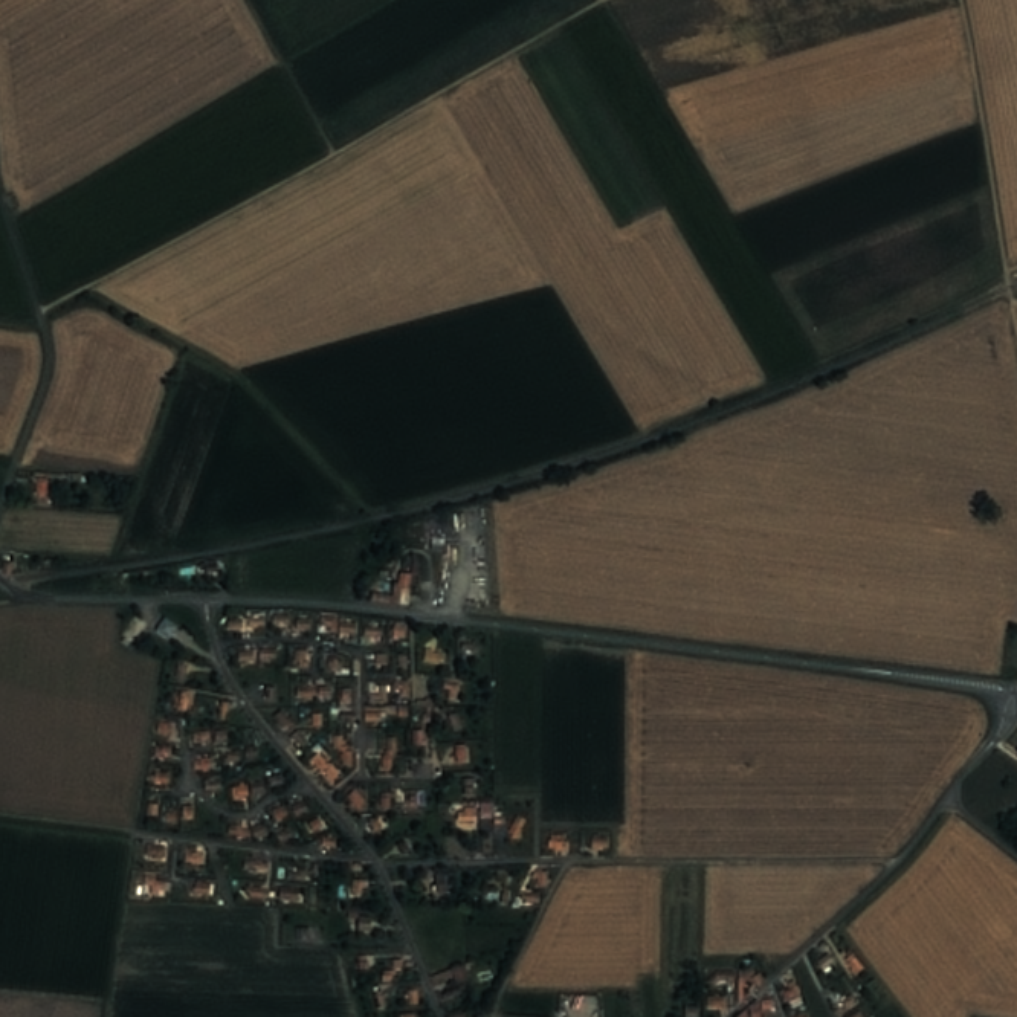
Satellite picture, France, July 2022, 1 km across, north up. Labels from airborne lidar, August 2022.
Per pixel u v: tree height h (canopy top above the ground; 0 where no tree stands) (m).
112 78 0
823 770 0
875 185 0
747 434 0
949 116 0
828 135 0
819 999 0
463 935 0
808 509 0
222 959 0
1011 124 0
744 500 0
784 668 0
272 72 0
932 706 0
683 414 0
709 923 0
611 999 0
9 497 11
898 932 0
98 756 0
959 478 0
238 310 0
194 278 0
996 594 0
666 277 0
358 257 0
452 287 0
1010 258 0
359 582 12
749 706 0
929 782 0
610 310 0
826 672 0
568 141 0
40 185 0
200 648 0
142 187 0
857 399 0
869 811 0
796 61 0
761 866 0
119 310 6
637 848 0
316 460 0
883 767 0
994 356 0
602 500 0
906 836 0
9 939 0
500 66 0
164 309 0
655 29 0
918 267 0
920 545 0
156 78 0
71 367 0
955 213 0
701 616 0
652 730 0
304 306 0
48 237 0
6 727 0
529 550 0
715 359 0
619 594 0
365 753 0
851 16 0
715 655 0
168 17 0
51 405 0
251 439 0
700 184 0
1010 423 0
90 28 0
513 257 0
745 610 0
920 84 0
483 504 11
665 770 0
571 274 0
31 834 0
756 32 0
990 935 0
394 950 0
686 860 0
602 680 0
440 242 0
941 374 0
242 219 0
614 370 0
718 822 0
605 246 0
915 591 0
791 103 0
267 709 0
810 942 0
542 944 0
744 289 0
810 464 0
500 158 0
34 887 0
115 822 0
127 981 0
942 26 0
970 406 0
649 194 0
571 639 0
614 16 0
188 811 0
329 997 0
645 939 0
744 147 0
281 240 0
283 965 0
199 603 0
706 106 0
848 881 0
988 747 0
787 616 0
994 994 0
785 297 0
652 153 0
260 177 0
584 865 0
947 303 0
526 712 0
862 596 0
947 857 0
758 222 0
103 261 0
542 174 0
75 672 0
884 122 0
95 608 0
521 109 0
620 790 0
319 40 0
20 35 0
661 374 0
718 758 0
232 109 0
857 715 0
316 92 0
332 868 10
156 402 0
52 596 0
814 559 0
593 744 0
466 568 0
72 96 0
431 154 0
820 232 0
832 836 0
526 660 0
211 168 0
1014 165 0
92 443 0
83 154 0
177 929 0
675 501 0
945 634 0
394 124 0
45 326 0
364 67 0
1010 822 13
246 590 0
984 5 0
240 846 0
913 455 0
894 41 0
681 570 0
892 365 0
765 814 0
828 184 0
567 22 0
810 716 0
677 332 0
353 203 0
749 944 0
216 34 0
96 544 0
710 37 0
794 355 0
